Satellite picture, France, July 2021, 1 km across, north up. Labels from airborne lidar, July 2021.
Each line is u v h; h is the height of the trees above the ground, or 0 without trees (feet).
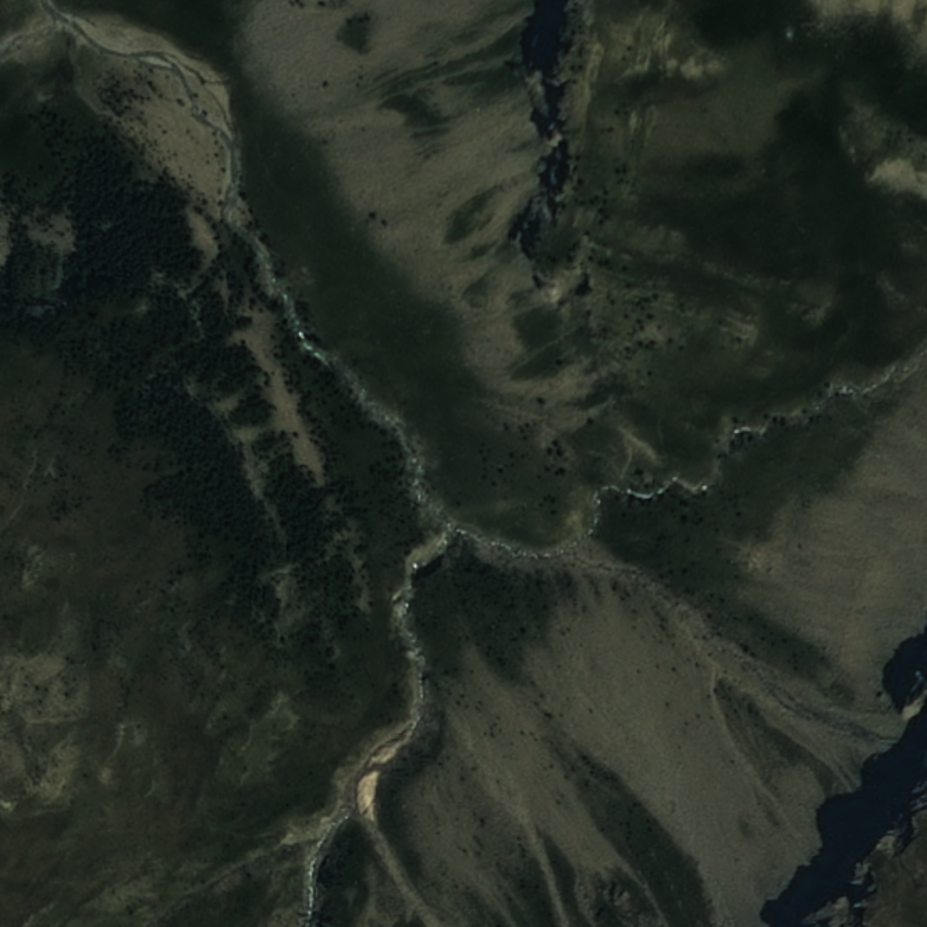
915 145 0
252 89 0
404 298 0
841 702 0
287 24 0
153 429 30
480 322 0
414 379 0
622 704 0
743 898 0
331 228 0
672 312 0
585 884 0
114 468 0
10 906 0
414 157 0
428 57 0
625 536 0
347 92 0
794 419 0
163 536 0
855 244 0
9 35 0
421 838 0
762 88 0
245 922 0
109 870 0
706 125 0
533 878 0
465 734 0
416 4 0
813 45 0
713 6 0
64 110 0
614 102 0
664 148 0
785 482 0
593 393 0
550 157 0
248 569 47
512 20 0
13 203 32
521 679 0
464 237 0
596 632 0
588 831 0
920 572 0
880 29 0
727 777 0
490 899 0
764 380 0
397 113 0
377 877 0
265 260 0
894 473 0
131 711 0
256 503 51
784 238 0
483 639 0
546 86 0
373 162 0
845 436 0
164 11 0
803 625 0
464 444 0
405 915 0
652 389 0
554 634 0
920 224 0
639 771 0
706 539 0
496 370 0
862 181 0
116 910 0
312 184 0
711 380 0
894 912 0
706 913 0
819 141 0
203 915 0
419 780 0
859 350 0
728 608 0
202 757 0
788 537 0
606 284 0
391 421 0
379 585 0
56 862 0
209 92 0
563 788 0
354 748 0
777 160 0
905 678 0
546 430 0
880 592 0
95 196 29
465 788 0
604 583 0
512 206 0
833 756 0
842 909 0
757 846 0
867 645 0
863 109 0
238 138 0
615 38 0
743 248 0
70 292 25
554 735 0
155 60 0
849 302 0
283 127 0
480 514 0
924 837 0
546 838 0
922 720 0
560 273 0
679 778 0
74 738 0
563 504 0
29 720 0
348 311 0
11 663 0
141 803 0
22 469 0
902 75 0
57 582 0
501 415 0
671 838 0
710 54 0
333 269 0
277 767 0
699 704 0
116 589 0
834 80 0
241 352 33
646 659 0
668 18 0
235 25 0
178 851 0
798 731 0
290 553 50
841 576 0
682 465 0
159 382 40
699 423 0
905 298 0
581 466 0
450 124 0
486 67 0
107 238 49
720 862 0
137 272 37
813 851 0
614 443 0
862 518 0
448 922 0
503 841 0
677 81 0
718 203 0
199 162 0
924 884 0
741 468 0
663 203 0
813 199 0
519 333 0
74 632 0
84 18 0
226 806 0
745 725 0
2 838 0
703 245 0
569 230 0
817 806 0
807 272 0
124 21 0
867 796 0
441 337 0
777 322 0
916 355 0
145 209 46
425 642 0
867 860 0
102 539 0
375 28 0
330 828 0
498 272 0
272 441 28
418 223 0
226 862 0
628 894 0
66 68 0
